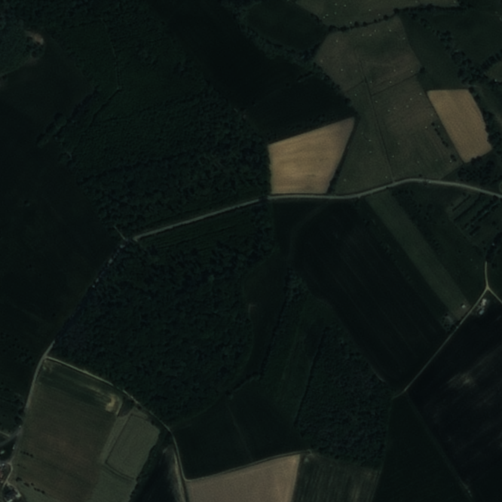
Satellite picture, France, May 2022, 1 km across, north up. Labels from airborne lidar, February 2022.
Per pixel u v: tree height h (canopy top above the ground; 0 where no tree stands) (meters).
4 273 0
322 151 0
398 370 0
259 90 0
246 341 23
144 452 0
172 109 19
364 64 0
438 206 0
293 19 0
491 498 0
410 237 0
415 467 0
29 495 0
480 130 0
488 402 0
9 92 0
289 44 0
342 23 0
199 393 28
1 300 0
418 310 0
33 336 0
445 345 0
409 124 0
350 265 0
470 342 0
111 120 17
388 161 0
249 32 17
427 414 0
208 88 20
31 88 0
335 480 0
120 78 6
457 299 0
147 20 12
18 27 20
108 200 13
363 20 0
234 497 0
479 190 0
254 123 0
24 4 21
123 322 29
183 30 0
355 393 16
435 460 0
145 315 29
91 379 0
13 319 0
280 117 0
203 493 0
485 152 0
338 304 0
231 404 0
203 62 0
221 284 33
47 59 0
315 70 13
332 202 0
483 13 0
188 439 0
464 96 0
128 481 0
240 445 0
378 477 0
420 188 0
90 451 0
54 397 0
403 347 0
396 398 0
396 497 0
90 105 12
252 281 0
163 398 24
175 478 0
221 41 0
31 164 0
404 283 0
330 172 0
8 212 0
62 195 0
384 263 0
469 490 0
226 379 22
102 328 27
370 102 0
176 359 28
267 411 0
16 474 0
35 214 0
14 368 0
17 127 0
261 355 0
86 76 8
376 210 0
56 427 0
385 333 0
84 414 0
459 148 0
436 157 0
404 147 0
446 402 0
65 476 0
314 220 0
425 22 12
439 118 0
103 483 0
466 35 0
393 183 0
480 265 0
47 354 0
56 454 0
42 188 0
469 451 0
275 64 0
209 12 0
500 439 0
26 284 0
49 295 0
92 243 0
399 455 0
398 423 0
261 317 0
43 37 0
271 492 0
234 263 27
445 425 0
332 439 16
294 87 0
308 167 0
